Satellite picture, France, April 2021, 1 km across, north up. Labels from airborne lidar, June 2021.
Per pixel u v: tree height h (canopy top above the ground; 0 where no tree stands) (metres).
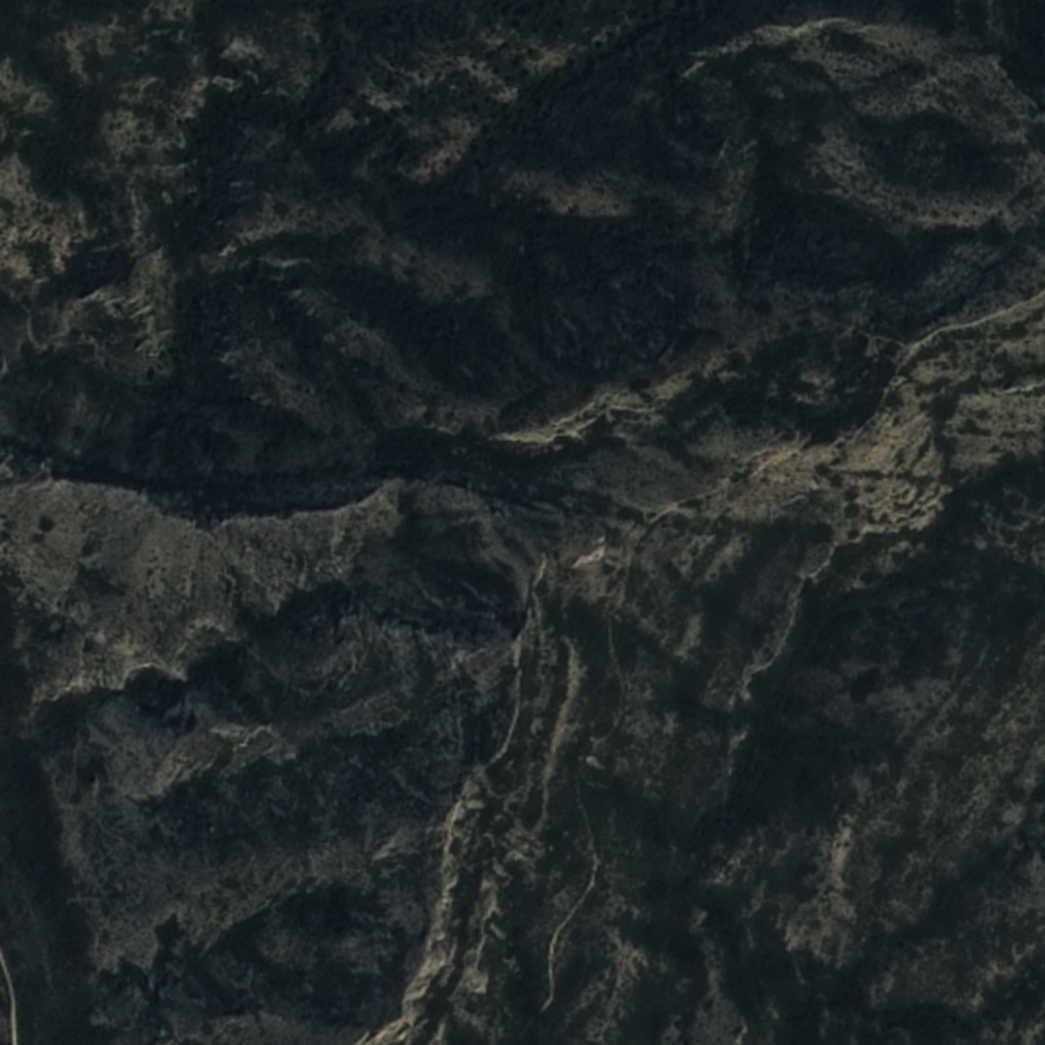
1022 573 0
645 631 0
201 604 0
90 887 0
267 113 6
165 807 0
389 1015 0
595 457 0
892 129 0
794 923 0
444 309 7
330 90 7
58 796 0
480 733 0
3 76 0
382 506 0
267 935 0
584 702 0
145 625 0
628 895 0
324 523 0
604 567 0
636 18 16
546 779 0
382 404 0
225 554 0
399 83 11
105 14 0
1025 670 0
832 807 0
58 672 0
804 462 0
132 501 0
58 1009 0
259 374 0
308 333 8
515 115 12
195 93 0
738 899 0
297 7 12
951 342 0
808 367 0
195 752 0
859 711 0
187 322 6
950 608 0
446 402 0
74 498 0
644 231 6
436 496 0
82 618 0
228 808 0
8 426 0
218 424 0
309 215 0
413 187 5
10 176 0
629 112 0
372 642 0
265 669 0
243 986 0
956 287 0
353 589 0
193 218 6
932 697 0
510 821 0
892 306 0
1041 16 5
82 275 6
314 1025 0
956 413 0
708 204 0
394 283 7
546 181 0
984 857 0
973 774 0
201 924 0
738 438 0
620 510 0
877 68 0
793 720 0
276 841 0
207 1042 0
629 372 0
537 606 0
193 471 0
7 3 6
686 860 0
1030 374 0
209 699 0
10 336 0
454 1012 0
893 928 0
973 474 0
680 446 0
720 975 0
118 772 0
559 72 12
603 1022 0
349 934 0
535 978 0
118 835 0
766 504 0
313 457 0
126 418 0
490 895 0
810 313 0
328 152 7
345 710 0
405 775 0
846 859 0
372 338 0
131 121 0
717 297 0
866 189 0
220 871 0
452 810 0
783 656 0
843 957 0
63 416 0
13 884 0
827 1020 0
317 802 0
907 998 0
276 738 0
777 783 0
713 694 0
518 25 12
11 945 0
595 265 6
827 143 0
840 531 0
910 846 0
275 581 0
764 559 0
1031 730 0
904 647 0
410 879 0
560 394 0
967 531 0
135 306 0
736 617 0
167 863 0
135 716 0
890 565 0
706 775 0
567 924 0
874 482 0
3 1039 0
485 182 7
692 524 0
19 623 0
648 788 0
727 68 6
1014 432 0
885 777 0
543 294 8
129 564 0
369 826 0
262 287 7
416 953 0
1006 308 0
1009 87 0
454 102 6
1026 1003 0
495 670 0
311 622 0
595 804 0
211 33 6
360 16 6
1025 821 0
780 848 0
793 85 0
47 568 0
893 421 0
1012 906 0
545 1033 0
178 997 0
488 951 0
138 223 0
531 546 0
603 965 0
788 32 0
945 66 0
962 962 0
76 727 0
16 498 0
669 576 0
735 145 10
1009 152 0
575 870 0
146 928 0
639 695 0
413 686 0
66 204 0
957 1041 0
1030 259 0
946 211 0
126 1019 0
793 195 6
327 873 0
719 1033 0
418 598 0
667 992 0
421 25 7
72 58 0
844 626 0
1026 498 0
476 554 0
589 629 0
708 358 0
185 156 6
